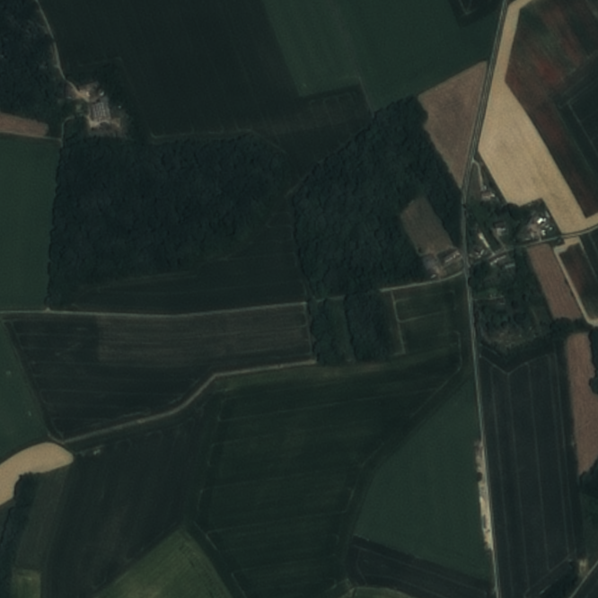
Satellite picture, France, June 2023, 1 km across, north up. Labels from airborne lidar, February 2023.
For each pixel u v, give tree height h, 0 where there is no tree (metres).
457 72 0
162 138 0
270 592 0
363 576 0
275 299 0
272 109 0
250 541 0
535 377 0
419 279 15
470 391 0
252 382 0
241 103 0
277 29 0
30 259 0
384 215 24
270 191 22
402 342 0
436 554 0
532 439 0
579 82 0
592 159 0
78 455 0
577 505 0
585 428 0
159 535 0
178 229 26
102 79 6
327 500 0
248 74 0
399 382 0
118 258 21
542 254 0
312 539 0
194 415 0
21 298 0
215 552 0
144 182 27
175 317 0
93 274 16
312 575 0
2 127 0
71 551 0
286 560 0
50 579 0
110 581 0
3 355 0
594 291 0
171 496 0
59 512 0
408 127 19
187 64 0
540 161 0
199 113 0
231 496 0
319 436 0
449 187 16
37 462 0
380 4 0
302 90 0
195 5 0
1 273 0
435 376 0
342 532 0
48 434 0
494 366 0
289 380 0
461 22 0
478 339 7
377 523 0
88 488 0
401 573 0
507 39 0
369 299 15
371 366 0
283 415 0
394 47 0
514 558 0
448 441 0
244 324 0
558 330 16
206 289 0
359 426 0
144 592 0
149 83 0
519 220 15
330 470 0
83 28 0
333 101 0
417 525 0
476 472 0
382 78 0
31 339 0
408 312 0
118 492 0
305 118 0
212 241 23
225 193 21
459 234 16
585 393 0
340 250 17
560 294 0
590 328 8
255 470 0
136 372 0
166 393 0
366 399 0
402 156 22
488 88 0
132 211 28
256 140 19
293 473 0
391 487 0
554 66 0
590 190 0
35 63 25
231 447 0
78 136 10
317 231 17
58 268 16
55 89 18
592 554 0
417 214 0
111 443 0
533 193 0
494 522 0
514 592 0
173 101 0
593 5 0
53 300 17
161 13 0
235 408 0
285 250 0
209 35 0
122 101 6
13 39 21
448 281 0
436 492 0
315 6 0
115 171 29
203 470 0
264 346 0
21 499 17
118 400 0
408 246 22
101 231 26
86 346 0
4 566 15
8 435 0
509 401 0
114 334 0
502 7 0
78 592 0
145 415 0
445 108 0
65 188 21
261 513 0
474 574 0
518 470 0
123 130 0
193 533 0
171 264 23
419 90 0
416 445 0
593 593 0
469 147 0
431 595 0
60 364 0
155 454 0
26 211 0
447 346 0
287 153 0
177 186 26
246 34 0
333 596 0
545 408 0
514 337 0
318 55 0
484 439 0
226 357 0
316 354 14
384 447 0
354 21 0
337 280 20
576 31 0
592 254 0
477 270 12
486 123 0
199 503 0
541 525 0
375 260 25
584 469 0
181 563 0
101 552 0
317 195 19
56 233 15
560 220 0
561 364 0
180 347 0
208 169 26
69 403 0
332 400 0
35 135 0
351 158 17
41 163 0
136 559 0
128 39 0
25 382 0
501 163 0
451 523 0
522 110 0
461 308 0
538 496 0
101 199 26
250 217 24
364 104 0
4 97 24
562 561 0
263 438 0
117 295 0
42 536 0
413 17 0
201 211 25
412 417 0
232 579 0
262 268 0
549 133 0
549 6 0
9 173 0
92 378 0
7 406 0
